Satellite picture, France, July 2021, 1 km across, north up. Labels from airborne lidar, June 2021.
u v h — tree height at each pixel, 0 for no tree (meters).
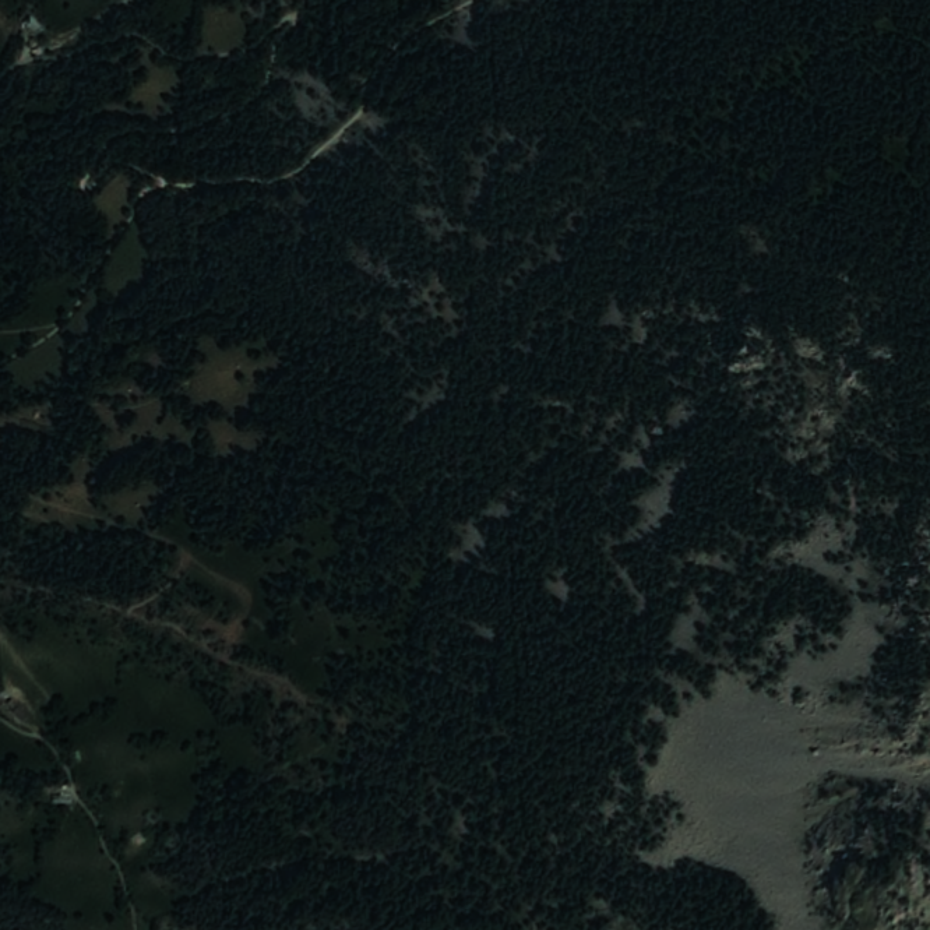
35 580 18
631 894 17
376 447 24
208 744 9
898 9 19
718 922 18
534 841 15
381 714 13
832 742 0
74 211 14
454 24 7
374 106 15
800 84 22
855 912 0
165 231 19
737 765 0
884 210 17
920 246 19
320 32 7
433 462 15
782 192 17
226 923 6
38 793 7
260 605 0
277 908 14
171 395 13
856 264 13
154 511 11
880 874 9
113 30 18
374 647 0
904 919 0
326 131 7
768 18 16
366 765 16
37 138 10
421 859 17
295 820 11
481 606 21
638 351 14
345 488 27
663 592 15
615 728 17
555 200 10
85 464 0
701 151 19
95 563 24
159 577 13
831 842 0
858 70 15
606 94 19
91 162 18
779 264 14
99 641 11
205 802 13
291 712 14
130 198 8
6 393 21
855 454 12
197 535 9
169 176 18
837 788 0
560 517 14
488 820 12
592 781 16
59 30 0
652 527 0
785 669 10
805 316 14
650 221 18
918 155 16
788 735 0
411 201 9
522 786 22
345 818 10
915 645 11
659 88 25
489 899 15
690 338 12
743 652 11
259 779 13
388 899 23
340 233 19
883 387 11
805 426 0
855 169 15
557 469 19
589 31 23
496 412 24
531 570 17
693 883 16
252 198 13
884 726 0
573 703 22
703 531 12
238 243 26
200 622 0
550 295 16
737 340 14
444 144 16
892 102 17
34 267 22
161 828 11
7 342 0
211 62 17
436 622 22
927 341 16
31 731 0
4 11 0
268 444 14
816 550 0
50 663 0
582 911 15
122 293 0
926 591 9
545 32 18
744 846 0
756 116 16
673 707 13
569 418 16
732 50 17
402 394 14
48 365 0
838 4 9
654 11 24
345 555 8
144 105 12
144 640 12
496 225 16
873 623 0
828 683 0
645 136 12
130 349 15
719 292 12
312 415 21
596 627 14
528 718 21
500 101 13
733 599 11
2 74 7
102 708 11
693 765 0
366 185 16
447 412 19
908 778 0
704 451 14
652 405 17
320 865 10
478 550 0
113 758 0
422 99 20
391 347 18
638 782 16
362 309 15
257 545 17
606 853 13
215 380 0
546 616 22
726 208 13
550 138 14
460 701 24
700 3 19
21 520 13
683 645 0
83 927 0
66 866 0
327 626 0
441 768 23
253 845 14
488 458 22
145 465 24
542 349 20
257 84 19
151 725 0
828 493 12
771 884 0
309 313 24
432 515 20
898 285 16
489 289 18
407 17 24
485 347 16
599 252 22
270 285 24
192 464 17
